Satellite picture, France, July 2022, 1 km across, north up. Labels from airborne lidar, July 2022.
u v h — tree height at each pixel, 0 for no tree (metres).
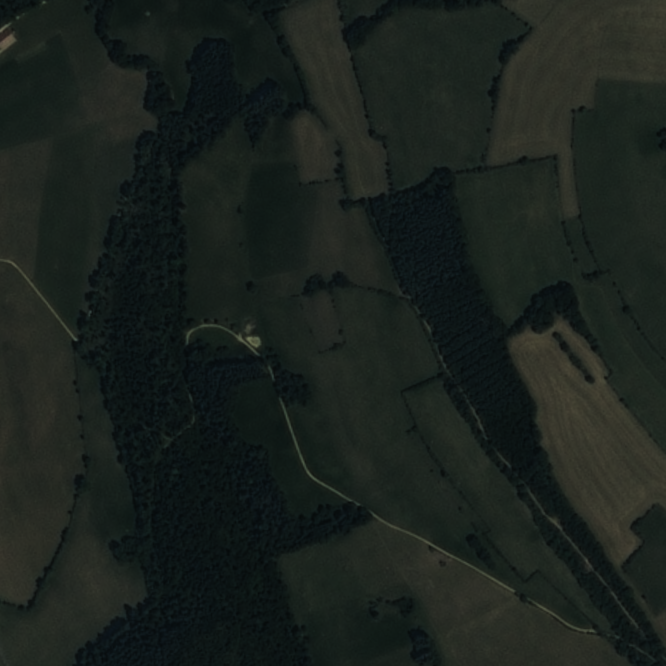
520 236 0
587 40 0
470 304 19
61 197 0
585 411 0
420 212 27
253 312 0
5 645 0
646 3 0
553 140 0
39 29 0
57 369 0
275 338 0
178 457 10
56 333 0
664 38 0
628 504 0
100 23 21
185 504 9
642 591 0
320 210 0
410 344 0
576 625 0
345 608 0
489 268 0
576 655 0
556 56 0
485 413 12
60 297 0
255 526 18
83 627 0
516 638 0
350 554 0
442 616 0
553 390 0
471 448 0
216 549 9
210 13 0
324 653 0
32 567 0
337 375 0
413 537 0
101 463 0
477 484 0
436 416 0
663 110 0
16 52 0
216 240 0
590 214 0
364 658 0
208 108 27
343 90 0
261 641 6
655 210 0
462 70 0
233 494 9
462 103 0
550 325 14
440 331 13
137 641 23
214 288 0
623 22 0
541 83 0
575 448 0
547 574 0
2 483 0
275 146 0
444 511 0
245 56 0
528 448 9
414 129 0
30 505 0
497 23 0
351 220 0
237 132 0
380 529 0
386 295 7
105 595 0
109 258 19
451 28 0
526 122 0
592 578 8
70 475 0
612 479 0
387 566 0
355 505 8
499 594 0
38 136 0
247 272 0
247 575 12
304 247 0
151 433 9
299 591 0
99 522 0
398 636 0
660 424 0
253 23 0
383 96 0
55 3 0
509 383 13
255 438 0
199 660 6
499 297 0
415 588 0
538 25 0
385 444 0
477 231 0
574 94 0
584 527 16
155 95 17
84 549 0
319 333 0
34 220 0
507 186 0
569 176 0
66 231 0
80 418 12
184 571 7
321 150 0
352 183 0
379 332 0
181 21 0
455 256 24
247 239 0
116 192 0
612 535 0
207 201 0
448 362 13
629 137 0
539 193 0
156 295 9
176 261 35
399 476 0
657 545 0
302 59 0
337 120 0
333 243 0
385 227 19
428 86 0
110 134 0
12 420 0
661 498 0
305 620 0
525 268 0
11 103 0
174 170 29
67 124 0
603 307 0
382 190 0
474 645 0
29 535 0
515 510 0
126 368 7
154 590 9
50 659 0
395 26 0
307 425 0
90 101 0
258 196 0
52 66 0
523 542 0
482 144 0
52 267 0
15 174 0
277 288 0
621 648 16
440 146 0
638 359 0
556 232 0
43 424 0
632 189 0
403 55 0
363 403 0
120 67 11
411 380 0
